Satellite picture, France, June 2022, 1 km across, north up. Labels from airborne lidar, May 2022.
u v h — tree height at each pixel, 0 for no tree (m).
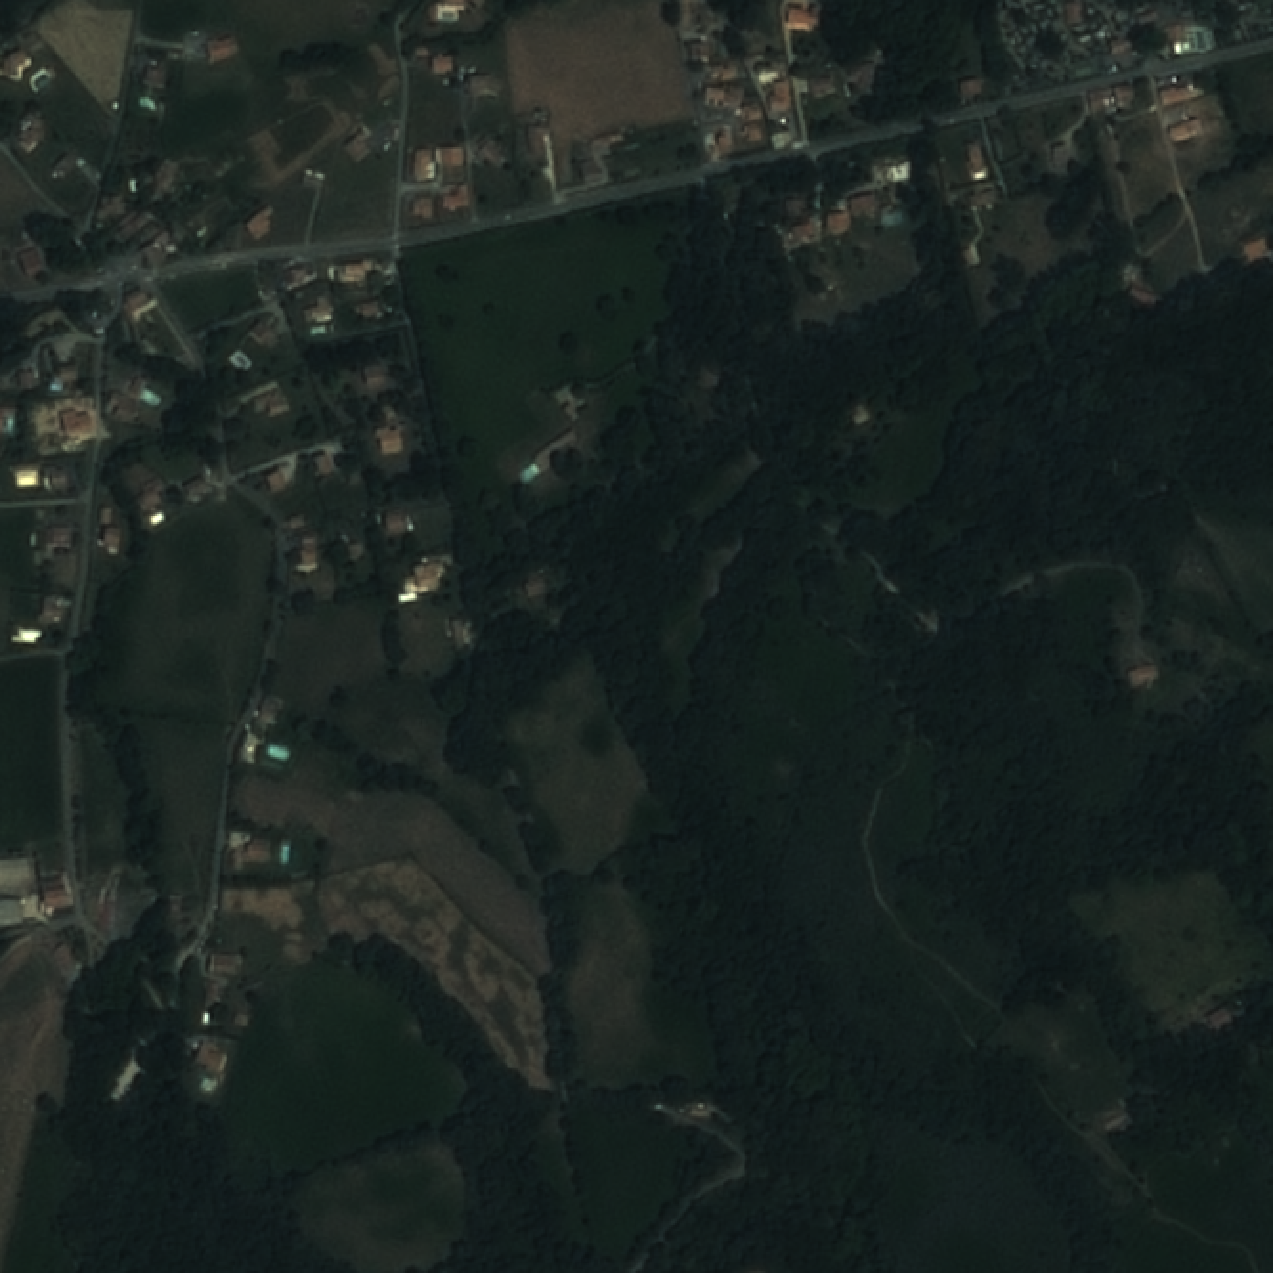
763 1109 10
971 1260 0
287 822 0
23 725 0
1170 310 20
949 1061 6
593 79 0
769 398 17
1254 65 0
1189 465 9
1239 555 0
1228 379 14
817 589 8
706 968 10
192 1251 15
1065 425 14
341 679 0
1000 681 10
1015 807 10
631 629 20
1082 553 11
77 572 0
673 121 0
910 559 14
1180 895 0
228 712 0
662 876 11
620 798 0
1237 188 0
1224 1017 0
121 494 16
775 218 15
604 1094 12
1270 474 13
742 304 11
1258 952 0
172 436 12
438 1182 0
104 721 9
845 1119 18
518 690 22
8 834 0
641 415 16
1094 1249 11
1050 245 0
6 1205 0
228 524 0
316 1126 0
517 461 0
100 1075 25
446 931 0
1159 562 8
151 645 0
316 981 0
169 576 0
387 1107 0
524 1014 0
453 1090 0
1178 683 0
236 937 0
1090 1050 0
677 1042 0
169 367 12
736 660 6
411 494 11
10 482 0
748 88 0
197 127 0
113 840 0
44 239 25
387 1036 0
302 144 0
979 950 0
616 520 21
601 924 0
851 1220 26
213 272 0
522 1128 19
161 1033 14
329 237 0
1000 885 7
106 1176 9
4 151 0
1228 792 20
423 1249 0
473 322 0
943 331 25
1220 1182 0
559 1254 7
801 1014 18
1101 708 9
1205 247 0
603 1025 0
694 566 14
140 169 10
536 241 0
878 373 17
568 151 0
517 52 0
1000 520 16
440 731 0
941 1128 10
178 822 0
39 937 0
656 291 0
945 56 19
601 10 0
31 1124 0
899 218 0
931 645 18
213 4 0
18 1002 0
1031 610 9
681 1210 6
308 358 12
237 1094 0
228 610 0
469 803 0
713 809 16
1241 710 10
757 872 12
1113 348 20
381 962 13
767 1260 18
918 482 0
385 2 0
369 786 6
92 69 0
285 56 9
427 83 0
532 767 0
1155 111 0
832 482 14
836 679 0
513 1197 18
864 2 30
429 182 0
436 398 12
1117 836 6
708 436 15
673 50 0
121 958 17
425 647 0
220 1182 9
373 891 0
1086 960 11
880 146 9
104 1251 15
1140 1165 10
